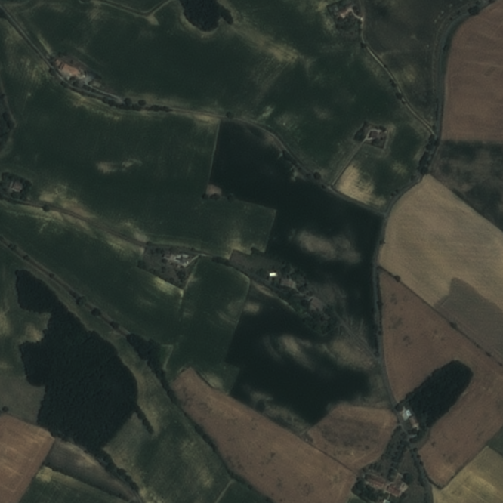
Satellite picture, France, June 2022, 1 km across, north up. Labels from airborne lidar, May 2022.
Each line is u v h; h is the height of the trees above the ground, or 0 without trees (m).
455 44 0
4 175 9
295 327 0
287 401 0
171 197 0
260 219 0
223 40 0
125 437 0
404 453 8
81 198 0
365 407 0
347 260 0
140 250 0
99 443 14
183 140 0
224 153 0
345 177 0
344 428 0
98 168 0
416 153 0
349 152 0
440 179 0
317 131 0
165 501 0
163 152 0
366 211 0
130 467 0
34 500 0
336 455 0
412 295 0
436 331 0
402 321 0
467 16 0
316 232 0
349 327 0
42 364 10
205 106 0
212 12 19
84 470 0
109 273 0
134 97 0
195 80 0
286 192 0
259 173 0
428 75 0
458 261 0
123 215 0
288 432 0
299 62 0
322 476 0
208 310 0
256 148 0
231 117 9
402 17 0
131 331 0
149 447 0
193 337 0
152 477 0
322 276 0
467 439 0
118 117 0
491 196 0
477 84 0
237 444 0
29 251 0
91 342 17
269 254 7
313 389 0
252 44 0
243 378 0
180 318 0
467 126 0
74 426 16
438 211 0
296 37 0
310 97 0
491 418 0
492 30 0
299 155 0
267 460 0
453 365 18
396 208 0
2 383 0
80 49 0
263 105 0
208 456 0
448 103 0
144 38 0
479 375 0
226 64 0
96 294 0
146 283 0
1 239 11
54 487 0
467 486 0
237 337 0
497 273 0
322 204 0
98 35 0
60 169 0
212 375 0
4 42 0
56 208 0
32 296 17
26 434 0
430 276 0
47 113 0
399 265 0
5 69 0
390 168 0
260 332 0
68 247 0
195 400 0
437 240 0
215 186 0
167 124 0
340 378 0
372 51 0
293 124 0
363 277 0
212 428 0
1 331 0
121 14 0
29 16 0
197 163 0
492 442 0
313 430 0
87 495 0
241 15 0
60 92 0
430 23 0
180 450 0
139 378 0
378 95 0
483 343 0
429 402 15
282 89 0
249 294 0
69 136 0
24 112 0
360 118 0
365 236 0
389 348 0
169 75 0
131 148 0
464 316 0
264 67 0
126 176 0
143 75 0
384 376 0
